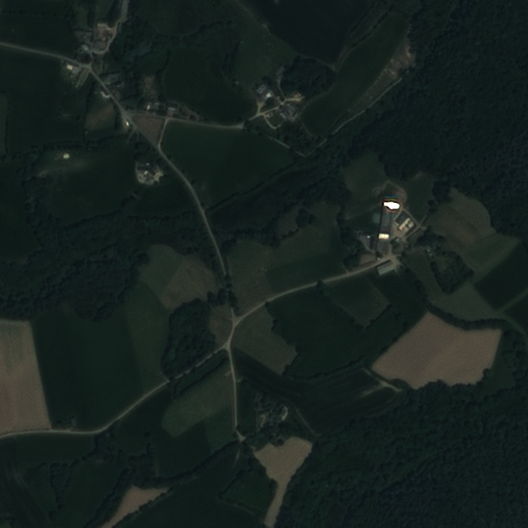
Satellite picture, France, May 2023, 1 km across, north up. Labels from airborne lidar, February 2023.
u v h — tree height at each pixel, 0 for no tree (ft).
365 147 52
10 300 28
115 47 48
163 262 0
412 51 62
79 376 0
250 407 0
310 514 31
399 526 66
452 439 36
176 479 36
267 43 0
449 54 66
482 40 56
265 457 0
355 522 70
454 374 0
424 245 51
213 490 0
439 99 72
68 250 61
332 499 56
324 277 0
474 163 73
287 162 0
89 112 21
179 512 0
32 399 0
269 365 0
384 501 92
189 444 0
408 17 25
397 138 66
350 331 0
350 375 0
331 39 0
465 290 0
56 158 0
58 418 0
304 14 0
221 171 0
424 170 62
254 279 0
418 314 0
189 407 0
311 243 0
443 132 59
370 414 0
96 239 73
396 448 35
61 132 0
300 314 0
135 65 24
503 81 57
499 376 0
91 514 0
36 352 0
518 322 0
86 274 57
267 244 60
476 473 55
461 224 0
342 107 0
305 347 0
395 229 0
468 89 54
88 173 0
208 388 0
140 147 48
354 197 0
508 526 54
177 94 0
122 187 0
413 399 49
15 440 0
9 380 0
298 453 0
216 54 0
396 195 0
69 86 0
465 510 54
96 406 0
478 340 0
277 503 0
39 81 0
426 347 0
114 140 35
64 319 0
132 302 0
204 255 0
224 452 49
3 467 0
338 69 0
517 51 52
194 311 66
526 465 69
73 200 0
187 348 23
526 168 94
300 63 54
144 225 35
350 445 30
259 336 0
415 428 28
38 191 62
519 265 0
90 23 22
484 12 54
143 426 0
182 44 27
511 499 66
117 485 26
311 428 0
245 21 0
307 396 0
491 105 70
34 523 0
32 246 0
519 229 75
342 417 0
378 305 0
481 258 0
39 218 63
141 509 36
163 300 0
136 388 0
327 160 97
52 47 0
